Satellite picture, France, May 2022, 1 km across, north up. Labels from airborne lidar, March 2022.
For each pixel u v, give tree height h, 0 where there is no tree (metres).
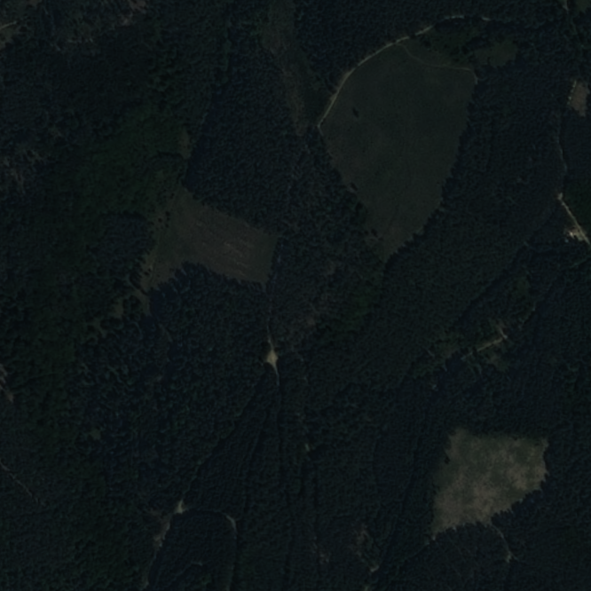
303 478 28
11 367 11
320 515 31
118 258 35
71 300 35
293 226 25
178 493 19
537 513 32
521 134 28
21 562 25
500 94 20
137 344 39
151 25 10
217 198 24
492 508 0
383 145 0
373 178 0
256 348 26
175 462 26
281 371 19
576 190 0
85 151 21
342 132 0
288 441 23
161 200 6
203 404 19
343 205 25
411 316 23
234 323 19
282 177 27
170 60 20
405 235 0
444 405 22
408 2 24
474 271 26
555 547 22
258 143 31
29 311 28
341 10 28
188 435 29
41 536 21
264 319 22
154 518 5
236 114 25
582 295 22
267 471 29
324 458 33
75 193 19
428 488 15
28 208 26
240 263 0
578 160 21
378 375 31
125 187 32
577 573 23
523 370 28
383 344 26
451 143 0
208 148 31
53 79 14
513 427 19
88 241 31
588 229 0
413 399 31
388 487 29
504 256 26
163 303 38
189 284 9
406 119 0
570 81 24
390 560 20
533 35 27
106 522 33
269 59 23
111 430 37
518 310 6
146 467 6
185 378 28
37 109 12
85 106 15
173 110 26
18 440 22
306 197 24
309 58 9
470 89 0
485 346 0
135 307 12
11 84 20
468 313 33
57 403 34
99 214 35
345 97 0
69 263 32
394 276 24
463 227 23
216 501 21
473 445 0
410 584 18
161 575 15
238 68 25
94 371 35
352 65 26
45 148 26
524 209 25
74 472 32
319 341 18
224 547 21
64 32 28
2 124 22
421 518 14
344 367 24
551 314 25
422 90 0
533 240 22
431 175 0
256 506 23
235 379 17
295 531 28
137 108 22
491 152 21
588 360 21
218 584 22
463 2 24
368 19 27
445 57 0
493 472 0
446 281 24
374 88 0
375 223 0
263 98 31
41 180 25
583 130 23
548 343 22
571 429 19
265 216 32
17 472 22
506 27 25
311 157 26
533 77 27
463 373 33
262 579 27
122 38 10
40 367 32
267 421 21
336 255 6
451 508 0
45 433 29
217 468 19
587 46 23
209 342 34
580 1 0
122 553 30
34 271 26
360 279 27
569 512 27
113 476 39
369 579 29
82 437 11
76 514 31
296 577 30
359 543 30
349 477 31
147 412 11
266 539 24
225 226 0
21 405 18
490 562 16
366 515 27
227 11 33
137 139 28
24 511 19
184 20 26
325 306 28
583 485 34
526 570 25
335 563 27
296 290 27
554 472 30
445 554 12
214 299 29
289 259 27
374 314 24
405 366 23
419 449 19
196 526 18
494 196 25
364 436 29
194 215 0
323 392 27
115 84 14
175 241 0
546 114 32
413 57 0
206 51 20
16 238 24
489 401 24
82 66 13
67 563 20
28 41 10
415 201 0
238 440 19
